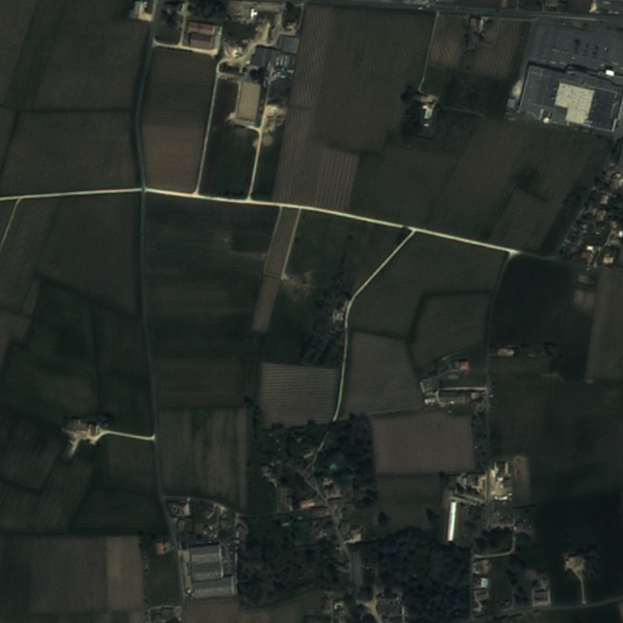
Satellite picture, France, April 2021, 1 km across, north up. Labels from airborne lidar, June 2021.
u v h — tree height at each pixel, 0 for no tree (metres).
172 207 0
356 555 0
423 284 0
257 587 19
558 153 0
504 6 0
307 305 0
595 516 0
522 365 0
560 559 0
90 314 0
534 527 0
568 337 0
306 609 0
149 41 0
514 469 0
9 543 0
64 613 0
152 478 0
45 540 0
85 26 0
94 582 0
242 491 0
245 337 0
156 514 0
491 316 0
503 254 0
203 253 0
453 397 0
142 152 0
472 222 0
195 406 0
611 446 0
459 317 0
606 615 0
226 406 0
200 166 0
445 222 0
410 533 14
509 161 0
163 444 0
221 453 0
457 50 0
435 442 0
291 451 8
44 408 0
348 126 0
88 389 0
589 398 0
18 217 0
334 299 14
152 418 0
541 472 0
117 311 0
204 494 0
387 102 0
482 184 0
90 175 0
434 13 0
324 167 0
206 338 0
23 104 0
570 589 0
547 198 0
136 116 0
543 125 0
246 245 0
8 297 0
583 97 0
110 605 0
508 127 0
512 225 0
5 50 0
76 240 0
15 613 0
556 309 0
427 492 0
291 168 0
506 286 0
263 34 0
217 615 0
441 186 0
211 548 0
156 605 0
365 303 0
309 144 0
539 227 0
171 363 0
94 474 0
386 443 0
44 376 0
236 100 0
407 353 0
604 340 0
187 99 0
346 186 0
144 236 0
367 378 0
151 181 0
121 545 0
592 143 0
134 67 0
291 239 0
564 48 0
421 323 0
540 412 0
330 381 0
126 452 0
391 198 0
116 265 0
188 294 0
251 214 0
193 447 0
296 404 0
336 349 19
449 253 0
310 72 0
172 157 0
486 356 0
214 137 0
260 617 0
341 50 0
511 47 0
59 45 0
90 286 0
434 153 0
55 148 0
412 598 20
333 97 0
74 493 0
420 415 0
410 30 0
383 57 0
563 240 0
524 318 0
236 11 0
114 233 0
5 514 0
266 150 0
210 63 0
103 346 0
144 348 0
